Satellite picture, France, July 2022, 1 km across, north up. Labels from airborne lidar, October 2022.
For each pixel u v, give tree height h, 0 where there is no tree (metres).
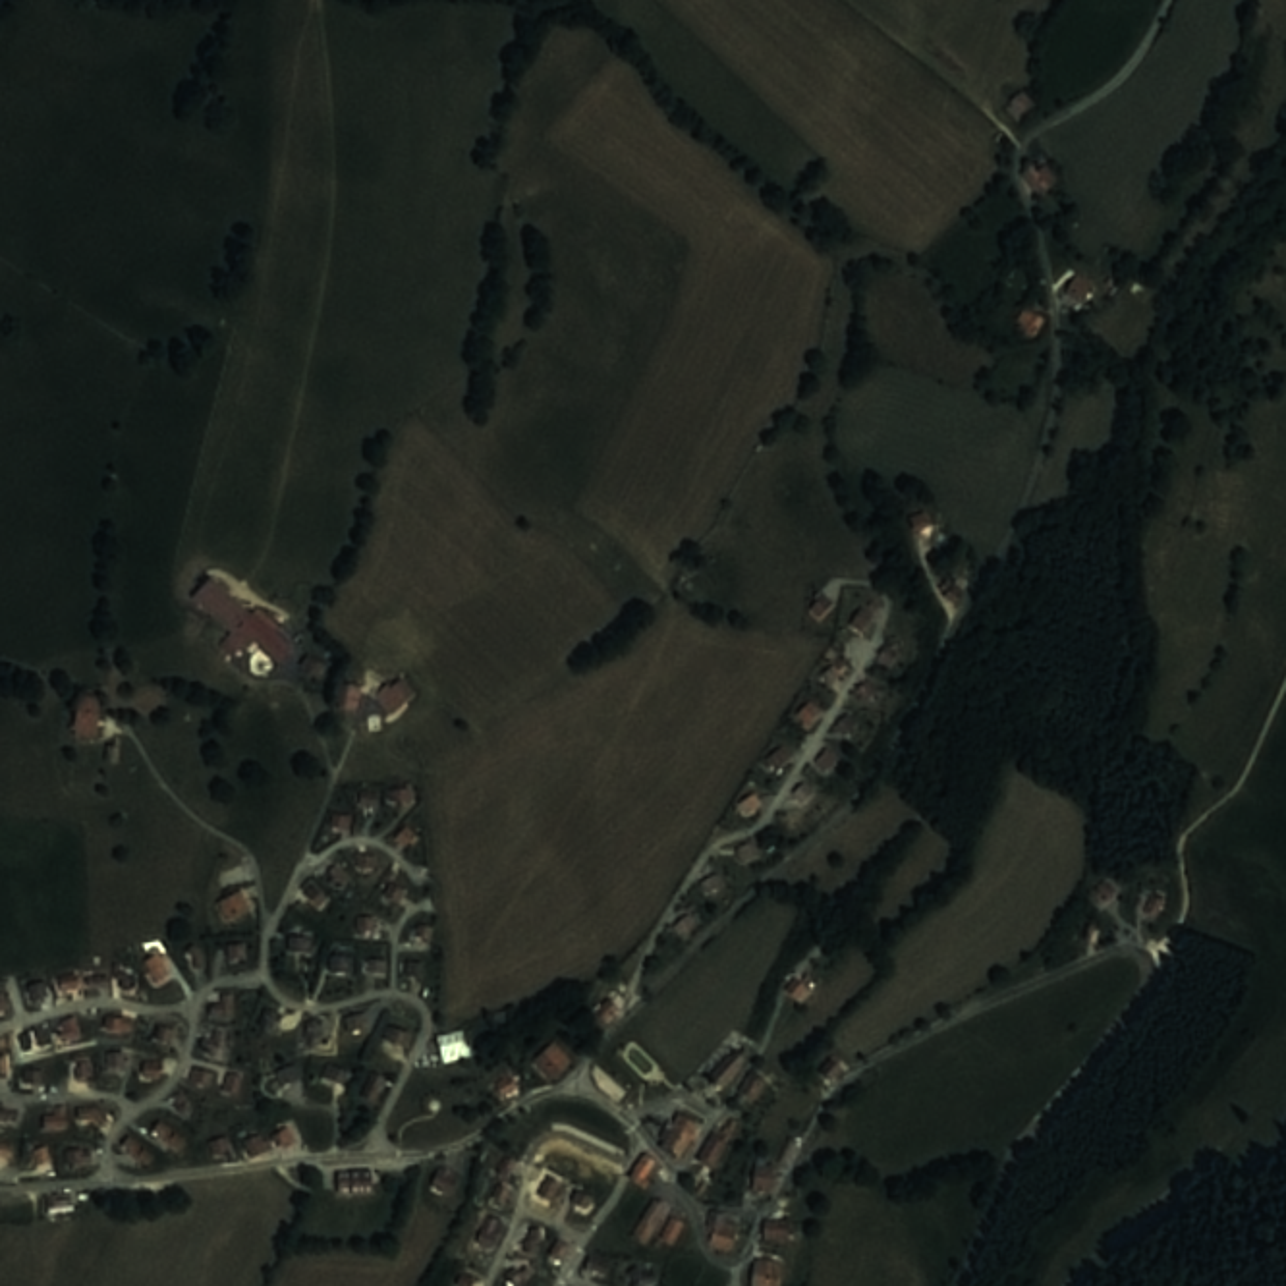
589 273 0
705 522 0
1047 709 10
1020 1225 21
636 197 0
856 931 28
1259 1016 0
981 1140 0
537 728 0
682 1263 0
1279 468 0
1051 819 0
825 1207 22
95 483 0
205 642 0
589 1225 0
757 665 0
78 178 0
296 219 0
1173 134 0
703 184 0
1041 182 0
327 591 12
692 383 0
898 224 0
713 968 0
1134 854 28
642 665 0
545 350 0
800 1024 0
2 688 17
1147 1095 25
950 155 0
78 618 0
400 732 0
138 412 0
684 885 0
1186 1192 21
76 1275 0
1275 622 0
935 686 16
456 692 0
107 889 0
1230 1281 20
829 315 0
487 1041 14
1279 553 0
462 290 0
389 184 0
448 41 0
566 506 0
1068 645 20
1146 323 0
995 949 0
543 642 0
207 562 0
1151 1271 38
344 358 0
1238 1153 0
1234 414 8
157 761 0
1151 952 0
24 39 0
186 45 0
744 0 0
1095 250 0
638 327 0
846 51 0
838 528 0
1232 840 0
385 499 0
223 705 14
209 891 0
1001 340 8
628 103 0
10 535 0
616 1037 0
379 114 0
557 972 0
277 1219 0
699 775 0
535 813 0
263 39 0
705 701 0
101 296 0
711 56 0
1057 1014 0
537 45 16
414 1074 0
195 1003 0
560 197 0
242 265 25
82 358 0
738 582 0
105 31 0
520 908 0
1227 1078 0
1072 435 0
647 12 0
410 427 0
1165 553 0
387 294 0
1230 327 23
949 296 15
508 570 0
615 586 0
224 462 0
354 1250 13
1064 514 15
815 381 15
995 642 16
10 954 0
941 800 18
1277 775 0
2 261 0
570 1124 0
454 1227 9
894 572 14
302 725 0
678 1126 0
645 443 0
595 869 0
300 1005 0
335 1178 0
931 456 0
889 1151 0
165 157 0
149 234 0
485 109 0
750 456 0
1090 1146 25
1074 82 0
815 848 0
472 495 0
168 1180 0
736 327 0
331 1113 0
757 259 0
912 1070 0
